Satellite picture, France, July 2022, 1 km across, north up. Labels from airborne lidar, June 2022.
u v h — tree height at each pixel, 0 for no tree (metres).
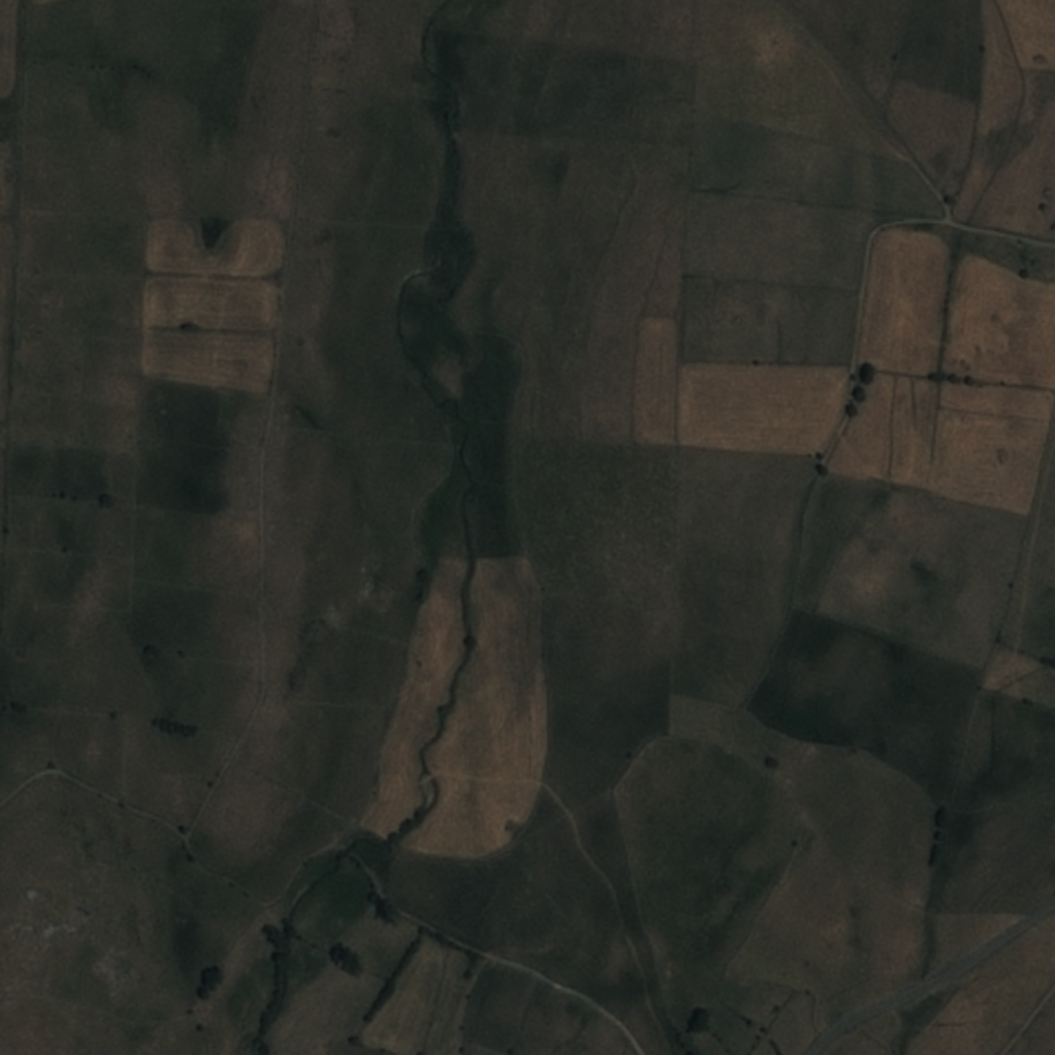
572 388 0
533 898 0
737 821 0
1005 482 0
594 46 0
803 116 0
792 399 0
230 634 0
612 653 0
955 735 0
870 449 0
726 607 0
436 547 0
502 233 0
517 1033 0
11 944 0
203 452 0
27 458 0
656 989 0
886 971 0
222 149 0
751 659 0
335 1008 0
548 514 0
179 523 0
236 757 0
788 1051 0
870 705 0
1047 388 0
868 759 0
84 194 0
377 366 0
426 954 0
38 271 0
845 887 0
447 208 0
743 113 0
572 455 0
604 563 0
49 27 0
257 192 0
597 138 0
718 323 0
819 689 0
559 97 0
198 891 0
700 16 0
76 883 0
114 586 0
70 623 0
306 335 0
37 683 0
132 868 0
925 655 0
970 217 0
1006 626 0
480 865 0
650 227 0
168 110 0
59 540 0
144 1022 0
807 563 0
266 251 0
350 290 0
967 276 0
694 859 0
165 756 0
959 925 0
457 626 0
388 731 0
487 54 0
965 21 0
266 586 0
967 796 0
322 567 0
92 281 0
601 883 0
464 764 0
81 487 0
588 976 0
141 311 0
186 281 0
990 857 0
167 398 0
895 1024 0
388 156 0
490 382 0
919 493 0
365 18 0
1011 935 0
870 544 0
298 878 0
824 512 0
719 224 0
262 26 0
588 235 0
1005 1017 0
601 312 0
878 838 0
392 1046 0
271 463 0
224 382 0
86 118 0
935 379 7
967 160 0
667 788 0
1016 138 0
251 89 0
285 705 0
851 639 0
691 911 0
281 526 0
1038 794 0
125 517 0
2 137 0
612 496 0
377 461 0
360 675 0
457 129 0
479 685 0
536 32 0
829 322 0
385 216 0
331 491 0
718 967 0
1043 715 0
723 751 0
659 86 0
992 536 0
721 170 0
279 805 0
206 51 0
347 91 0
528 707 0
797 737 0
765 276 0
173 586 0
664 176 0
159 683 0
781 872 0
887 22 0
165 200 0
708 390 0
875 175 0
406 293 0
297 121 0
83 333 0
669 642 0
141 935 0
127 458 0
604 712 0
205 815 0
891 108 0
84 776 0
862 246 0
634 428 0
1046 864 0
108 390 0
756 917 0
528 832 0
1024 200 0
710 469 0
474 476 0
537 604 0
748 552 0
